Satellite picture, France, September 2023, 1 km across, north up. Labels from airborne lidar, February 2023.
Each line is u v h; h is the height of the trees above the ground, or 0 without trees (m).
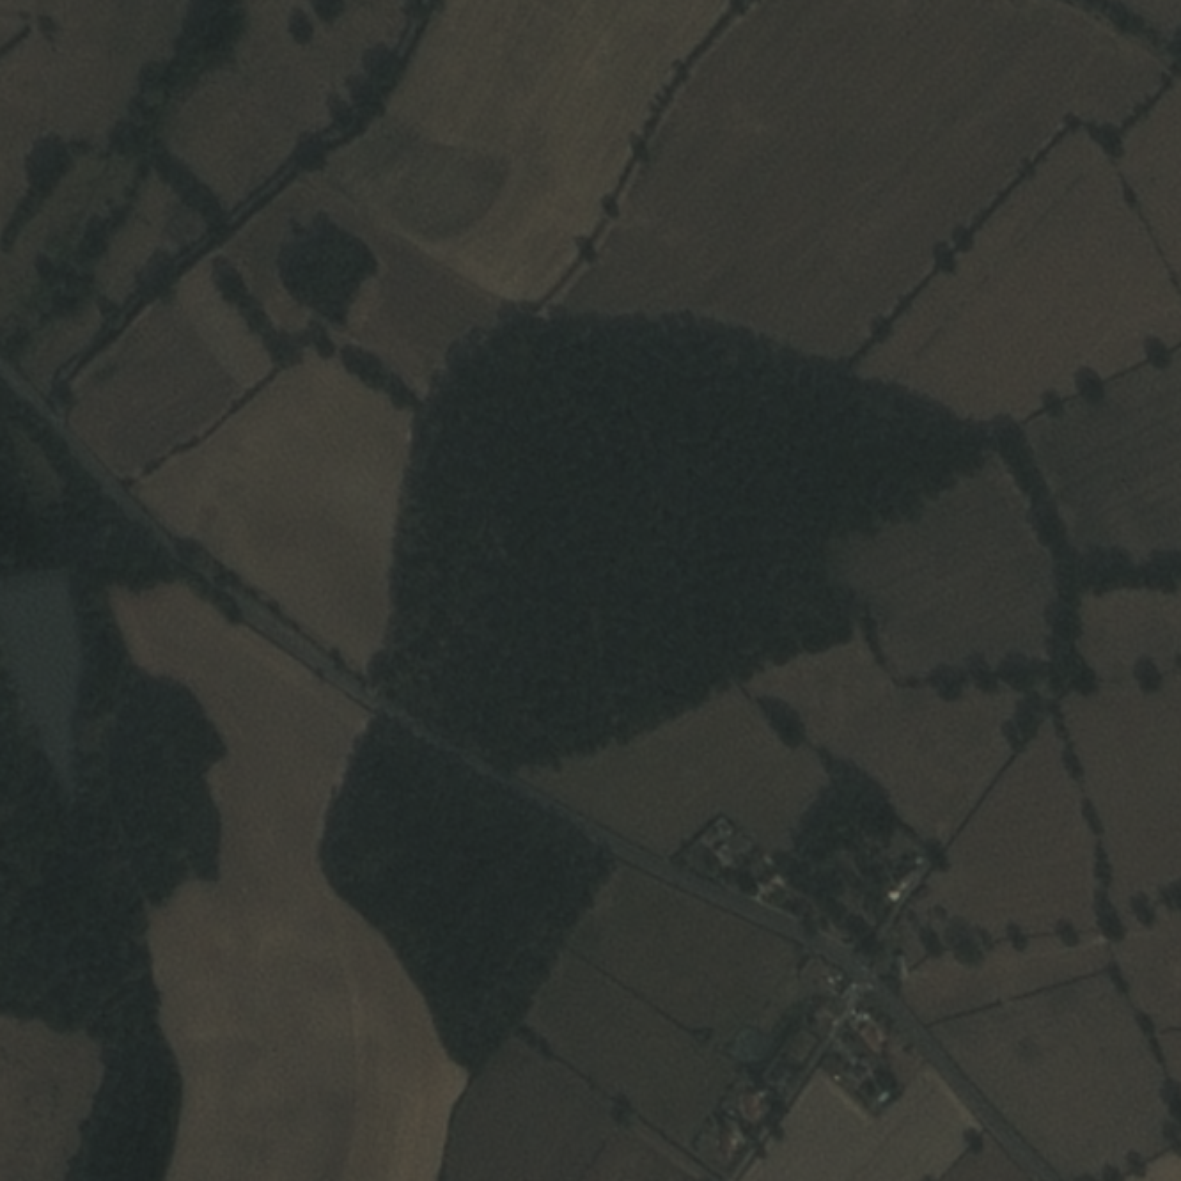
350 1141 0
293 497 0
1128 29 9
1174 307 0
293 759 0
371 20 0
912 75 0
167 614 0
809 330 0
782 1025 0
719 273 0
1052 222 0
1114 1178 12
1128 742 0
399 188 0
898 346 0
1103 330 0
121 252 0
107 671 18
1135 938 0
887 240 0
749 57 0
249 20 0
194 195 18
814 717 0
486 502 27
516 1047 0
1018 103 0
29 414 9
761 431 25
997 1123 0
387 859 19
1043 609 0
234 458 0
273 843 0
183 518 0
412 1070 0
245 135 0
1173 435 0
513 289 0
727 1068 0
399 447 0
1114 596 0
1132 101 0
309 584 0
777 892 9
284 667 0
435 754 12
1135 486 0
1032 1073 0
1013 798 0
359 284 8
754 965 0
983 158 0
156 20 0
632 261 0
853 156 0
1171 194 0
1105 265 0
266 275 0
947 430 21
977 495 0
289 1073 0
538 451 26
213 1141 0
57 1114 0
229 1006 0
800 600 17
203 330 0
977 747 0
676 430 23
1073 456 0
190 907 0
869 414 23
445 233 0
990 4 0
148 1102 9
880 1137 0
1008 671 13
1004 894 0
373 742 10
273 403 0
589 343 10
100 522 13
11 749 21
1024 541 0
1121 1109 0
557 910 17
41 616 0
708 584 24
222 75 0
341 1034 0
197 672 0
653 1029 0
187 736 16
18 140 0
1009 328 0
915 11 0
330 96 0
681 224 0
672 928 0
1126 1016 0
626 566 30
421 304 0
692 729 0
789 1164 0
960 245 13
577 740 21
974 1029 0
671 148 0
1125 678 0
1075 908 0
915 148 0
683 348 25
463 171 0
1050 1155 0
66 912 8
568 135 0
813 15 0
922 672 0
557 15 0
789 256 0
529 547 25
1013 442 21
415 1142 0
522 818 18
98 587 13
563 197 0
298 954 0
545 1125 0
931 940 15
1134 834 0
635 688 22
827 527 20
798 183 0
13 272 0
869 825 15
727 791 0
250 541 0
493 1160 0
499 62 0
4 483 23
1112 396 0
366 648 0
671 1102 0
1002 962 0
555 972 0
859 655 0
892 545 0
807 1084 0
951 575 0
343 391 0
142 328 0
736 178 0
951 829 0
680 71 11
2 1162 0
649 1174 0
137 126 15
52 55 0
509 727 17
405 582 16
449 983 20
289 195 0
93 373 0
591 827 0
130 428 0
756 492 24
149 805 21
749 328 0
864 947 16
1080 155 0
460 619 17
